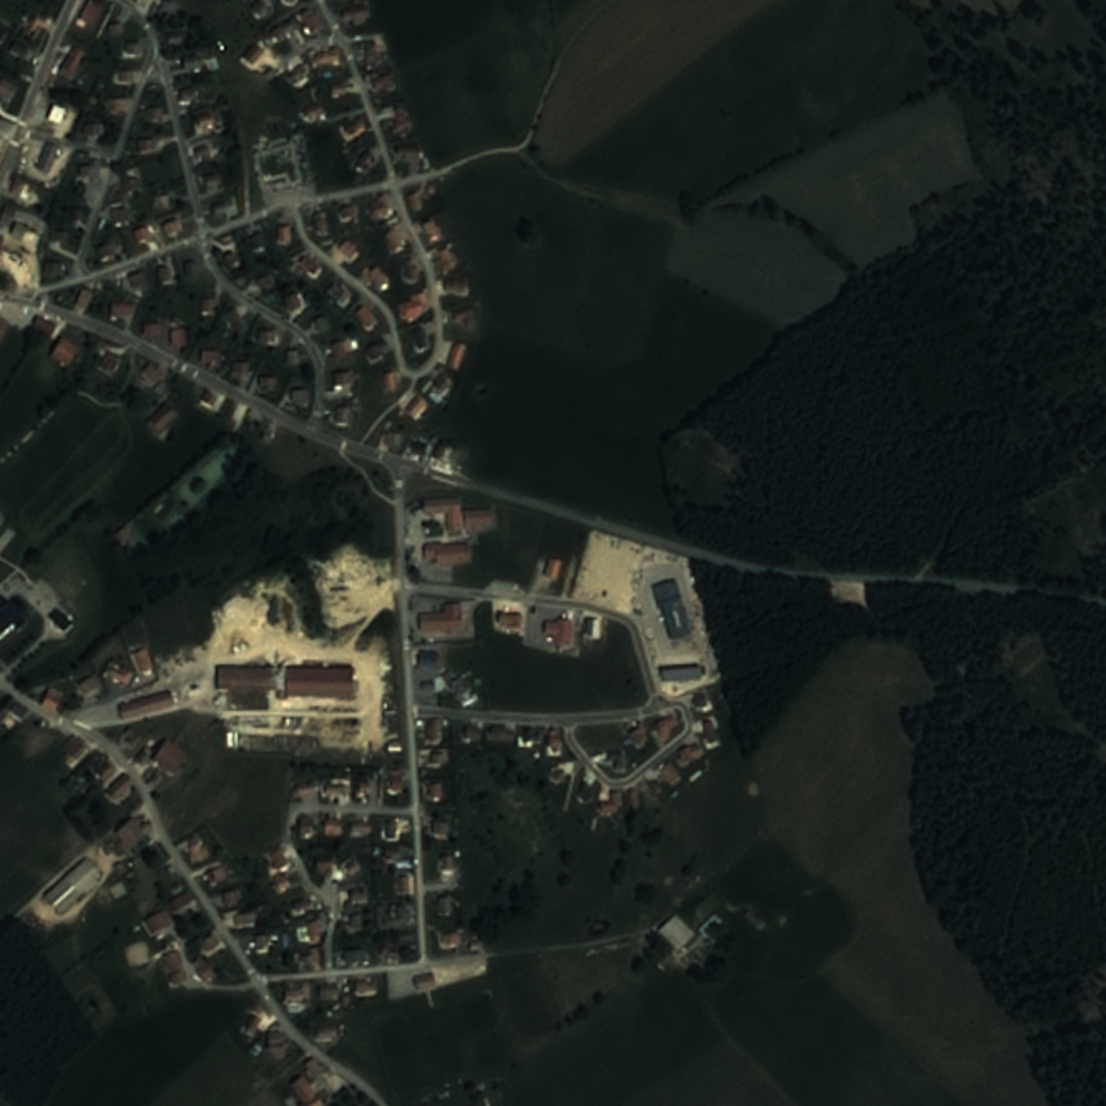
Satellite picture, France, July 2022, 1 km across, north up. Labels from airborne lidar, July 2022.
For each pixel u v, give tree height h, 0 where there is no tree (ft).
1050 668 0
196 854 0
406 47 0
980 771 70
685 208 24
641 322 0
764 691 59
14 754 0
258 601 0
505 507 0
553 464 0
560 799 0
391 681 0
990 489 60
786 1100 0
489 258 0
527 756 0
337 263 0
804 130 0
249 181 0
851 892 0
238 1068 0
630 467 0
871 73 0
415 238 0
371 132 0
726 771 0
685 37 0
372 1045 0
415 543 0
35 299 0
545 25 0
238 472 84
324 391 0
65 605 0
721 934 56
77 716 0
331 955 0
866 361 78
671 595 0
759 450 67
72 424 0
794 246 0
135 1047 0
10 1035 82
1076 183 53
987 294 90
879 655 0
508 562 0
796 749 0
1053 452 65
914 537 67
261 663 0
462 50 0
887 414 78
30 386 0
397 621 0
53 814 0
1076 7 0
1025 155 71
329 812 0
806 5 0
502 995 0
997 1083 0
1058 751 59
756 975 0
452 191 0
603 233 0
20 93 0
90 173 0
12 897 0
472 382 0
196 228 0
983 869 43
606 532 0
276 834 0
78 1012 72
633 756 0
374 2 0
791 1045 0
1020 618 63
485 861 0
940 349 24
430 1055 0
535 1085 0
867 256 0
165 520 0
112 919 0
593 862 0
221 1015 0
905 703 0
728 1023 0
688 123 0
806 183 0
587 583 0
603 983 0
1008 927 25
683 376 0
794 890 0
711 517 68
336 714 0
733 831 0
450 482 0
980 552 70
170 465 0
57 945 0
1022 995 79
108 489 0
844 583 0
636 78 0
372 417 0
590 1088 0
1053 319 94
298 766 30
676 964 0
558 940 0
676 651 0
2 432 0
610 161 0
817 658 55
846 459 81
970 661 75
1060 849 23
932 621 69
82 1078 0
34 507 0
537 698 0
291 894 0
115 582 0
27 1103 80
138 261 0
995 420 44
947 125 0
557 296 0
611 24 0
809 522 67
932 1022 0
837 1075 0
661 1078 0
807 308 0
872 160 0
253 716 0
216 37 19
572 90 0
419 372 0
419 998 0
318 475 23
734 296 0
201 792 0
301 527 18
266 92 0
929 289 33
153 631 0
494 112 0
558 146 0
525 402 0
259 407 0
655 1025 0
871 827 0
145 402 51
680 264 0
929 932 0
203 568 0
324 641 0
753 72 0
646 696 0
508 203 0
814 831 0
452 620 0
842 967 0
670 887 0
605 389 0
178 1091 0
